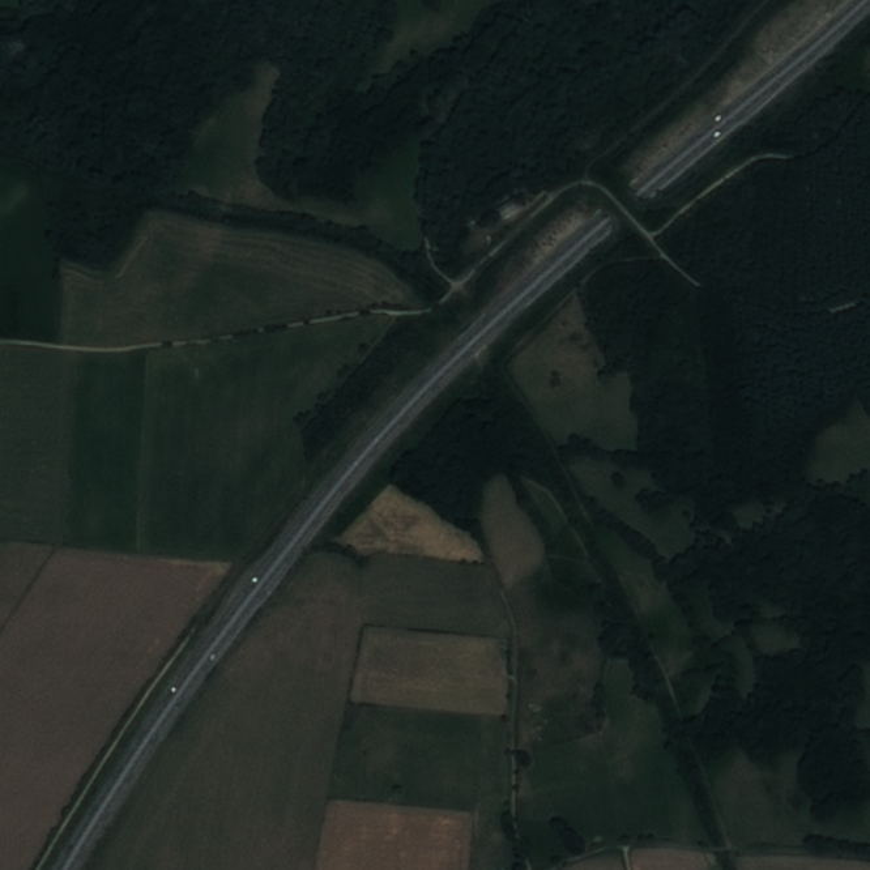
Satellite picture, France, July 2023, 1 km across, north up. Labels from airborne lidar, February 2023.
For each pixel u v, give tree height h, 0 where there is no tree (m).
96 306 0
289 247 0
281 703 0
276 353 0
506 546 0
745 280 15
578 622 0
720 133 0
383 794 0
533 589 0
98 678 0
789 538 13
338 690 0
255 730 0
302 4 13
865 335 19
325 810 0
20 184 0
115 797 0
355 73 10
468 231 0
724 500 17
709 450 9
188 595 0
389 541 0
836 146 14
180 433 0
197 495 0
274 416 0
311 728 0
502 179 10
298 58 15
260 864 0
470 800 0
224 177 0
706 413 8
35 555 0
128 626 0
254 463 0
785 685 20
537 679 0
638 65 9
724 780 0
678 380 7
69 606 0
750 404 20
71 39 18
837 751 18
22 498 0
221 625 0
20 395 0
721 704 18
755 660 7
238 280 0
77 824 0
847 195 16
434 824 0
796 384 19
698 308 6
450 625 0
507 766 0
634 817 0
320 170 29
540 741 0
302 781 0
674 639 0
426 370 0
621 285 7
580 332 0
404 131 17
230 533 0
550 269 0
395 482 7
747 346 17
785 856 0
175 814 0
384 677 0
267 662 0
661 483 18
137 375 0
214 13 13
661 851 0
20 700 0
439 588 0
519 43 12
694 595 0
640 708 0
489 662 0
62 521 0
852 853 7
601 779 0
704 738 16
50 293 0
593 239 0
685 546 0
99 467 0
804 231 16
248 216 7
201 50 14
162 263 0
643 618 0
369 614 0
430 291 11
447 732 0
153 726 0
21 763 0
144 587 0
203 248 0
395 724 0
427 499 9
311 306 0
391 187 0
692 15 23
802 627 14
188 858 0
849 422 0
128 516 0
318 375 0
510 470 9
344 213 0
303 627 0
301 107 8
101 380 0
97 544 0
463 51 9
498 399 8
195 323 0
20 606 0
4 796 0
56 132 20
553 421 0
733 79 0
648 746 0
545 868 0
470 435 17
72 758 0
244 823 0
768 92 0
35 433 0
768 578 22
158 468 0
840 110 13
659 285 11
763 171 10
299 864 0
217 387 0
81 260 10
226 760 0
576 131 13
